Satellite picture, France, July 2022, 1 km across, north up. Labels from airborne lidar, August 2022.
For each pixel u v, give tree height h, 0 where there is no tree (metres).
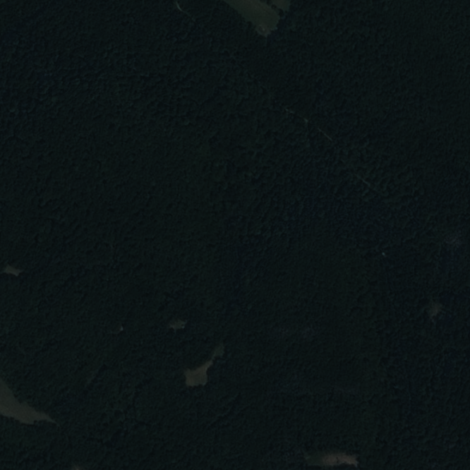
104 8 27
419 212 27
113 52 31
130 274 27
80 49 28
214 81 29
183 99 30
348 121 33
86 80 32
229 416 18
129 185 20
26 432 23
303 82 16
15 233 20
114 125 24
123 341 12
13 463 21
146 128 16
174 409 21
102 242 24
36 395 15
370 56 20
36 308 21
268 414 19
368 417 26
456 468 31
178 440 20
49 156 27
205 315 18
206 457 22
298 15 23
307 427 10
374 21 22
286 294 17
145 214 24
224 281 15
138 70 35
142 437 21
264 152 28
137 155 23
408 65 24
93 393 14
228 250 14
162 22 29
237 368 20
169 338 20
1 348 8
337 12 24
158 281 19
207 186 26
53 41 31
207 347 22
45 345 10
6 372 14
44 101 33
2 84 34
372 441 29
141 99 26
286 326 24
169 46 33
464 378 29
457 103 24
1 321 16
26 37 28
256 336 25
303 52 23
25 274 16
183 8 13
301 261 20
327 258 23
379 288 24
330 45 21
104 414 17
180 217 19
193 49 20
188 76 30
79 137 22
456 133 25
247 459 22
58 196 23
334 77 22
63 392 17
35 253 16
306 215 29
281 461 22
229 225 32
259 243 30
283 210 37
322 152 29
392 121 21
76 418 14
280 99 13
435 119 26
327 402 14
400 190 33
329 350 19
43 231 24
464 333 38
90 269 24
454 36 16
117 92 23
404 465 25
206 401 16
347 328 23
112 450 22
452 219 20
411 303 22
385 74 26
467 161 25
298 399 16
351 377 18
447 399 29
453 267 32
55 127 20
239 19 16
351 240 31
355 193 32
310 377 14
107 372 16
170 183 22
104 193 23
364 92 26
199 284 22
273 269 26
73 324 21
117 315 22
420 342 35
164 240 21
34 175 25
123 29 31
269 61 19
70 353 20
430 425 36
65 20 31
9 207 24
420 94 6
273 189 26
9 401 0
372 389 23
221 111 34
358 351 23
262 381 22
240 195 30
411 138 24
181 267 18
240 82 34
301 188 32
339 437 14
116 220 22
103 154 22
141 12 22
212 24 16
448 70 22
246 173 29
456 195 23
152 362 16
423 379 24
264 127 32
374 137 23
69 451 23
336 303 22
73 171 22
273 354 18
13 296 17
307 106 17
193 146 26
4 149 29
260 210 33
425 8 16
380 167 30
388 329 25
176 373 18
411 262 21
